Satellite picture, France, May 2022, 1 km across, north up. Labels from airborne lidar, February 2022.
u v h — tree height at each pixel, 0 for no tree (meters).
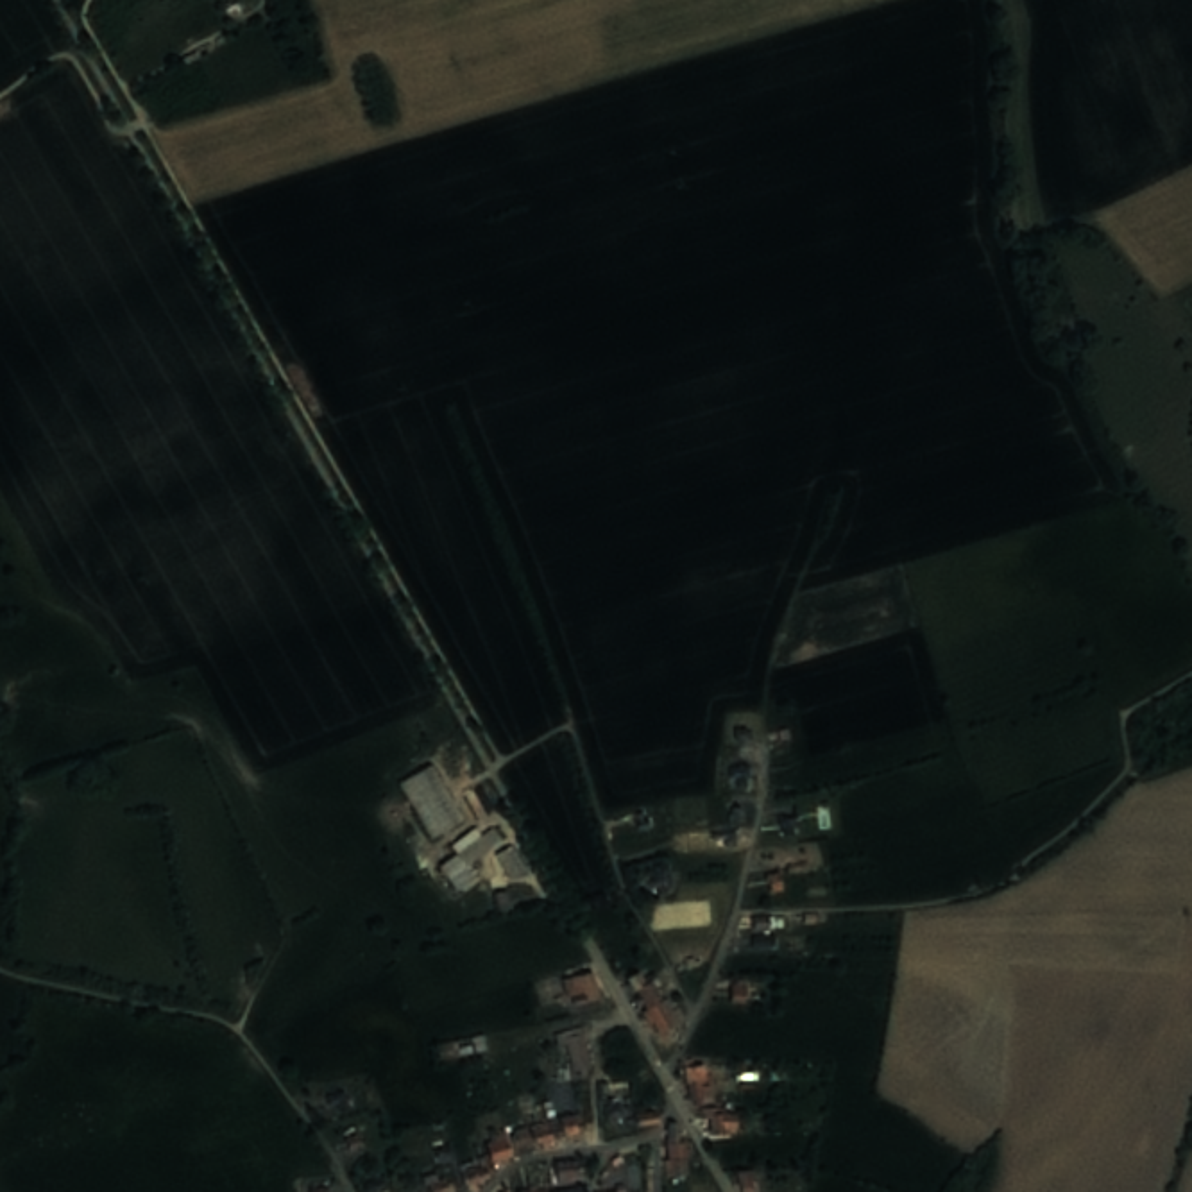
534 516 0
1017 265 16
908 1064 0
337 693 0
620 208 0
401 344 0
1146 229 0
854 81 0
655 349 0
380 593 0
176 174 0
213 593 0
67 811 0
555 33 0
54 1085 0
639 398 0
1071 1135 0
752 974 8
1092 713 0
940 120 0
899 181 0
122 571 0
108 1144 0
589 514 0
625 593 0
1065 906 0
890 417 0
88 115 0
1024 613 0
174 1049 0
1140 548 0
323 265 0
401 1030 0
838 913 0
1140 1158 0
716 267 0
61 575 0
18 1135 0
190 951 6
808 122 0
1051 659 0
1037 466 0
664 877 0
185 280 0
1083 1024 0
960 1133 0
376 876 0
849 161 0
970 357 0
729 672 0
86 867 0
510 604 0
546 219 0
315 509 0
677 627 0
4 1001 0
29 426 0
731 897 0
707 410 0
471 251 0
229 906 0
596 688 0
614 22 0
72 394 0
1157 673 0
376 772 0
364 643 0
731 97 0
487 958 0
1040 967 0
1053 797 0
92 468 0
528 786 0
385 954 0
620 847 0
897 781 0
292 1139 0
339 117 0
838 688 0
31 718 0
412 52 0
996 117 0
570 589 0
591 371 0
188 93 0
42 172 0
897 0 0
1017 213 0
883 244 0
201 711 0
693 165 0
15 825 16
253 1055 0
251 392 0
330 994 0
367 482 0
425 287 0
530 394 0
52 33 0
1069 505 0
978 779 0
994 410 0
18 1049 0
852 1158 0
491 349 0
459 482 0
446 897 0
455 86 0
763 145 0
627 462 0
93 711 0
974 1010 0
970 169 0
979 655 0
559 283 0
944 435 0
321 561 0
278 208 0
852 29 0
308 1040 0
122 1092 0
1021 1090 0
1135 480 15
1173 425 0
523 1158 0
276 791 0
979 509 0
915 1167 0
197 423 0
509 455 0
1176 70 0
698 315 0
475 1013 0
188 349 0
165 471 0
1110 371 0
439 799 0
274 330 0
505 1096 0
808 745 0
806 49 0
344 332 0
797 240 0
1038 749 0
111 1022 0
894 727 0
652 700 0
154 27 0
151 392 0
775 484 0
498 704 0
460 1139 0
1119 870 0
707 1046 0
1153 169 0
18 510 0
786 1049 0
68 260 0
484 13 0
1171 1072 0
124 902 0
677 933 0
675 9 0
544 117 0
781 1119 7
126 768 0
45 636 0
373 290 0
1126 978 0
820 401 0
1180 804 0
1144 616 0
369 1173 12
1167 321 0
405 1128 7
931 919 0
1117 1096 0
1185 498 0
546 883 15
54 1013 0
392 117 14
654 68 0
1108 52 0
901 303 0
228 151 0
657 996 0
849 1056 0
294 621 0
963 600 0
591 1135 0
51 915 0
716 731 0
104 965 0
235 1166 0
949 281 0
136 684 0
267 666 0
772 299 0
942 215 0
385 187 0
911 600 0
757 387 0
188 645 0
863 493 0
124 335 0
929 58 0
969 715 0
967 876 0
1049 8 0
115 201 0
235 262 0
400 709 0
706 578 0
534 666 0
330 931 0
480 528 0
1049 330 11
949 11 0
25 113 0
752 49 0
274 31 7
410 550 0
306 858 0
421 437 0
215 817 0
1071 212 0
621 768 0
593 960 0
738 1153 0
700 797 0
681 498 0
